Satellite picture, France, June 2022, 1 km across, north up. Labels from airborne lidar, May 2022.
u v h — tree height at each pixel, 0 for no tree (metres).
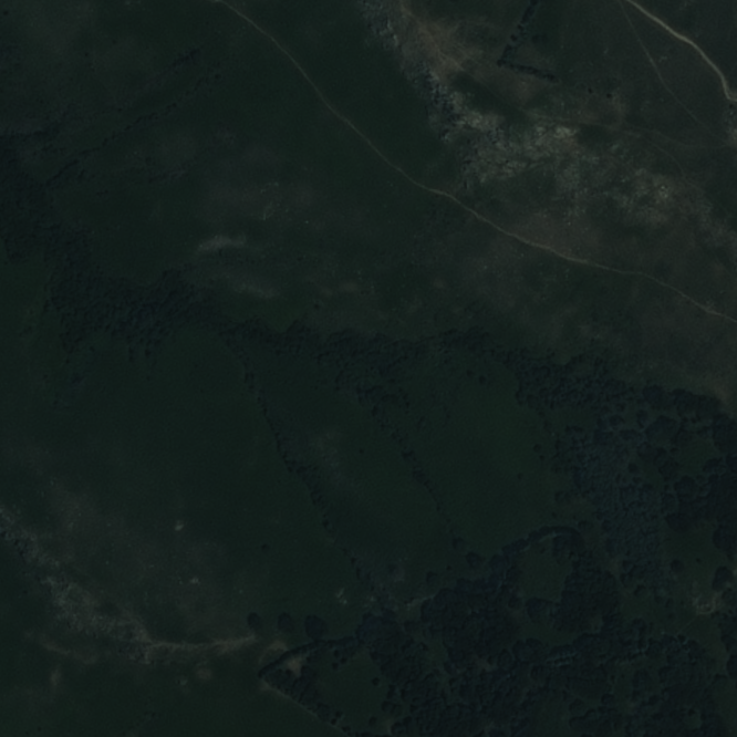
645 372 0
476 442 0
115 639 0
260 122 0
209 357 0
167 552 0
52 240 17
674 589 13
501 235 0
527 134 0
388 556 0
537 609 24
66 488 0
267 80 0
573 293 0
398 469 0
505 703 23
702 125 0
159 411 0
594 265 0
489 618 31
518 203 0
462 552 10
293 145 0
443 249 0
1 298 0
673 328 0
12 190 15
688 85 0
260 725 0
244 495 0
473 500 0
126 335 8
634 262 0
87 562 0
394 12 0
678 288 0
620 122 0
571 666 14
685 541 0
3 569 0
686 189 0
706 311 0
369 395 20
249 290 0
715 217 0
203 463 0
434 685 35
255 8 0
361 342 6
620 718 18
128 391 0
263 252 0
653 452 19
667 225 0
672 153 0
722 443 18
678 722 23
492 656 18
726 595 12
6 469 0
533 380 7
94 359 0
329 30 0
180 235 0
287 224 0
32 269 0
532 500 0
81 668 0
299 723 0
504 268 0
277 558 0
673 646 24
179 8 0
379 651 23
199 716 0
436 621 27
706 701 20
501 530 0
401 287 0
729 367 0
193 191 0
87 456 0
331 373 0
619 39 0
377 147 0
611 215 0
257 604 0
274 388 0
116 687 0
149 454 0
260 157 0
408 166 0
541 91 0
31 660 0
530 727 21
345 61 0
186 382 0
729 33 0
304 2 0
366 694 0
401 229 0
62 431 0
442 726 23
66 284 13
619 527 15
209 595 0
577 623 27
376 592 7
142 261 0
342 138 0
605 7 0
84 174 8
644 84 0
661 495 12
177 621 0
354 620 0
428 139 0
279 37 0
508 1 0
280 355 8
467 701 18
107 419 0
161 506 0
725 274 0
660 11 0
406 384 0
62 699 0
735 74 0
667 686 13
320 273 0
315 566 0
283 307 0
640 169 0
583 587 33
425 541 0
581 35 0
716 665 16
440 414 0
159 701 0
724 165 0
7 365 0
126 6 0
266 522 0
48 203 7
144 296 10
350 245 0
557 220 0
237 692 0
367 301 0
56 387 0
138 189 0
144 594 0
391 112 0
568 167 0
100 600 0
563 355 0
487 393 0
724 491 23
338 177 0
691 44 0
